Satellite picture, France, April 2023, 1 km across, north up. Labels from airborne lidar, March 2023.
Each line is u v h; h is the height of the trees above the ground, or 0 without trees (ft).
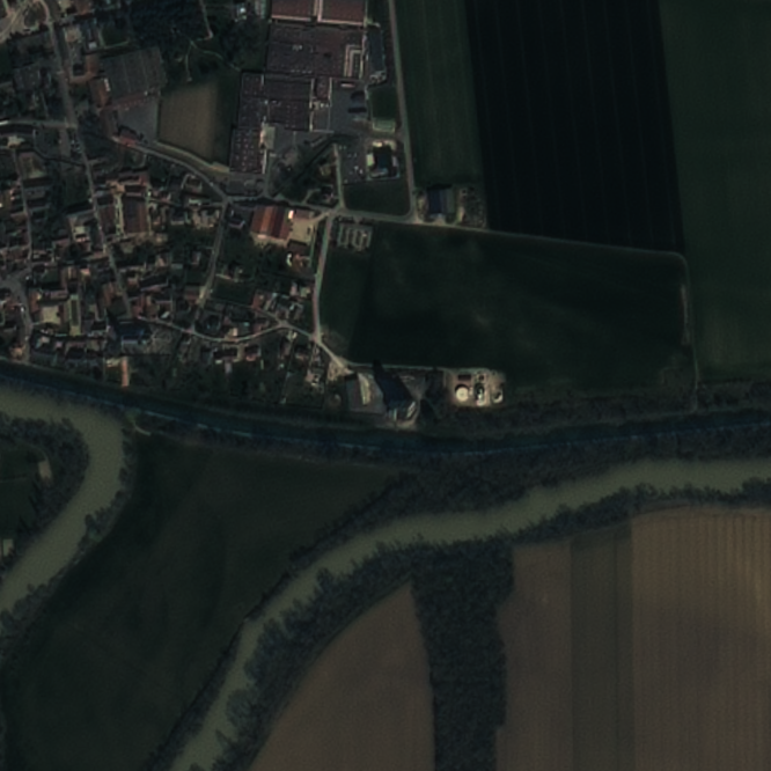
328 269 0
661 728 0
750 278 0
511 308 0
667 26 0
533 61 0
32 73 0
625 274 0
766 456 72
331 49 0
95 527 65
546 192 0
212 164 0
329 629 57
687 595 0
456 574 64
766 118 0
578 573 0
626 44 0
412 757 0
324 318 0
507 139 0
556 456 75
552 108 0
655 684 0
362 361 0
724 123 0
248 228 23
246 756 62
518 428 54
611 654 0
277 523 0
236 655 24
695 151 0
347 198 0
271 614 0
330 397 0
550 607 0
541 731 0
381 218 0
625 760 0
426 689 0
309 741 0
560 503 0
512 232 0
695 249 0
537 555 0
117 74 0
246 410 39
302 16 0
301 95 0
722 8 0
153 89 0
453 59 0
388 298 0
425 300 0
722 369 0
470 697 69
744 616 0
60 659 0
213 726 0
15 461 0
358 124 0
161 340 0
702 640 0
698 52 0
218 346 0
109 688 0
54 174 44
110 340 33
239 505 0
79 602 0
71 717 0
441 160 0
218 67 38
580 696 0
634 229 0
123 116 0
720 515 0
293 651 120
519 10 0
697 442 71
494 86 0
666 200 0
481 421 60
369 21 0
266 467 0
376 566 41
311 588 0
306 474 0
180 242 22
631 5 0
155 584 0
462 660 77
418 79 0
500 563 88
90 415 0
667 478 0
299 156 0
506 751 0
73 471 53
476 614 46
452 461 72
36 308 0
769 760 0
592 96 0
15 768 0
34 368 0
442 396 85
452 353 0
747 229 0
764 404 63
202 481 0
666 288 0
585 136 0
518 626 0
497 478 76
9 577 0
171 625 0
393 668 0
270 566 0
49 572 0
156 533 0
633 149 0
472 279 0
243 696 0
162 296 0
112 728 0
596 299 0
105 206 0
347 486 0
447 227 0
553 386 0
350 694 0
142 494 0
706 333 0
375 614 0
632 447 75
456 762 66
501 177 0
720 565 0
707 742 0
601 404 59
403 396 0
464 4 0
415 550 46
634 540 0
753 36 0
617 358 0
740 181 0
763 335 0
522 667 0
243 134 0
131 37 24
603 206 0
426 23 0
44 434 50
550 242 0
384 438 0
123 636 0
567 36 0
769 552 0
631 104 0
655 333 0
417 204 0
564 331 0
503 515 0
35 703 0
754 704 0
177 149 0
